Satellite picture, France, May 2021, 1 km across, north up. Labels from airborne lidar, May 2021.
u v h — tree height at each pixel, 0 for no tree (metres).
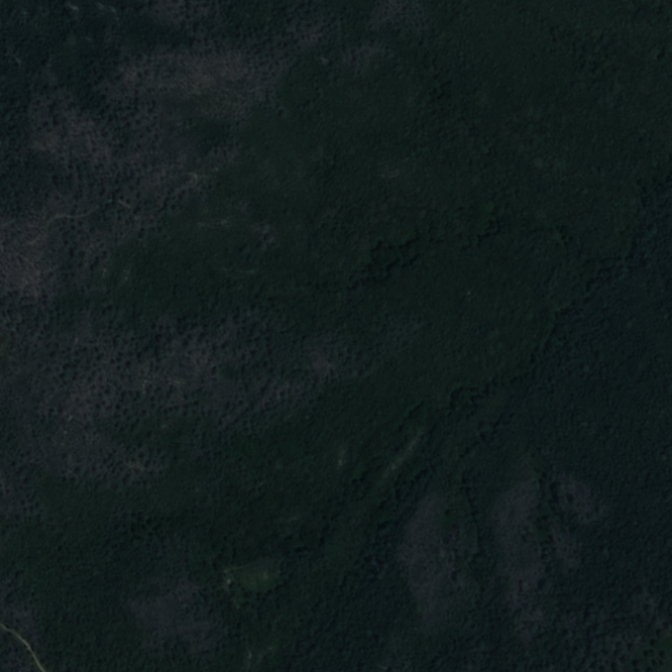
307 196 7
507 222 25
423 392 9
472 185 13
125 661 13
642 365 10
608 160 10
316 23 16
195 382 7
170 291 10
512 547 8
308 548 17
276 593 10
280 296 18
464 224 19
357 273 17
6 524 6
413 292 8
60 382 18
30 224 18
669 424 10
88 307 14
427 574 9
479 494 13
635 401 10
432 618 8
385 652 7
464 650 14
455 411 17
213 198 8
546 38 8
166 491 6
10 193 16
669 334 10
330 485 9
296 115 9
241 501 15
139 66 15
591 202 13
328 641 11
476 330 15
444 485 11
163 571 8
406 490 7
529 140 11
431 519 12
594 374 8
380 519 24
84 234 15
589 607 19
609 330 10
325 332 12
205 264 9
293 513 9
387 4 14
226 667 8
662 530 8
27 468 11
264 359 12
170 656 11
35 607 11
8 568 9
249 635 13
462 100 9
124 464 16
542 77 7
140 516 14
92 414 10
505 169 11
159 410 17
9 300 17
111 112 7
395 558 7
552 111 10
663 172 28
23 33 8
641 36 9
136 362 11
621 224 13
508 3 11
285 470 13
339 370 18
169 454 10
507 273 13
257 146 6
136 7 8
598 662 15
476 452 9
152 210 7
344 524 9
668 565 9
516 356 7
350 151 14
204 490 7
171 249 7
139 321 14
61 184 19
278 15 7
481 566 17
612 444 9
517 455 7
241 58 11
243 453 18
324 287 14
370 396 12
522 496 10
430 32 9
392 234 21
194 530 20
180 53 14
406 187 8
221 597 16
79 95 10
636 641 12
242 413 9
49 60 13
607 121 8
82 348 12
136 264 7
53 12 14
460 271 11
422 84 9
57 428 9
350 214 13
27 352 11
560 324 12
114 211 15
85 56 8
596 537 8
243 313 8
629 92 11
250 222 6
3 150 12
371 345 14
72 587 12
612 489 13
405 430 20
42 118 7
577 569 8
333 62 9
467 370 8
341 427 10
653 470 9
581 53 13
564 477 7
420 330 9
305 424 9
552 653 15
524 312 11
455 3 12
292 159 7
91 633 14
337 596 10
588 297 14
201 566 16
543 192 12
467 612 13
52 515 7
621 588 14
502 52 7
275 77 15
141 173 18
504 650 17
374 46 15
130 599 15
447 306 9
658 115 10
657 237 11
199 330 18
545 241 11
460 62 12
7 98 8
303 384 16
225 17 8
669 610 13
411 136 13
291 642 13
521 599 8
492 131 11
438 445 11
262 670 12
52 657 13
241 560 12
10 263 18
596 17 6
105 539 14
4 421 11
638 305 9
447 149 12
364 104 7
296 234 6
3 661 10
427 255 14
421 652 7
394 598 10
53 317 17
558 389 9
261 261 9
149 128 14
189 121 6
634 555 9
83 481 13
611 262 19
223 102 11
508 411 10
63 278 8
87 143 18
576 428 9
